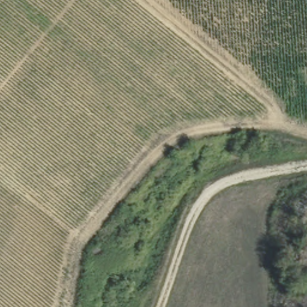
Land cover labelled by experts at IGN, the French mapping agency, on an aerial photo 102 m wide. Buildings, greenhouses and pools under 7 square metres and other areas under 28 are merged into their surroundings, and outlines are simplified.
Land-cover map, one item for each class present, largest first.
<instances>
[{"label":"vineyard","instance_id":"1","mask_svg":"<svg viewBox=\"0 0 307 307\"><path fill-rule=\"evenodd\" d=\"M241 128L257 130H281L307 139V0H0V307H72L79 275V260L82 258L85 243L96 233L115 204L136 185L151 164L162 155L168 158L173 151L185 148L189 143V137L227 131L235 134Z\"/></svg>","mask_w":307,"mask_h":307},{"label":"brushwood","instance_id":"2","mask_svg":"<svg viewBox=\"0 0 307 307\"><path fill-rule=\"evenodd\" d=\"M271 138L259 139L257 130L241 128L235 134L227 131L189 137V143L185 148L173 151L168 158L162 155L151 164L136 185L115 204L96 233L85 243L82 258L79 260V275L72 307H140V300L148 291V285L156 281L161 272L176 224L187 204L186 192L192 186L193 175L199 170L205 174L213 165L233 159L240 163H248L265 157L269 153ZM279 187L275 198L267 207L265 233L275 235L283 248L291 246L294 251H305L307 246V170L277 175Z\"/></svg>","mask_w":307,"mask_h":307},{"label":"agricultural land","instance_id":"3","mask_svg":"<svg viewBox=\"0 0 307 307\"><path fill-rule=\"evenodd\" d=\"M277 175L235 183L221 189L207 200L189 235L165 307H269L271 296L267 295V289L272 283L269 273L259 265L257 253V242L265 233L267 207L275 198L279 187Z\"/></svg>","mask_w":307,"mask_h":307},{"label":"herbaceous vegetation","instance_id":"4","mask_svg":"<svg viewBox=\"0 0 307 307\"><path fill-rule=\"evenodd\" d=\"M259 139L271 138L269 153L265 157L248 163H240L233 159L213 165L205 174L199 170L193 175L192 186L186 192L187 204L176 224L161 272L156 281L148 285V291L140 300V307H156L183 224L193 204L207 186L222 177L243 170L307 161V139L281 130H257ZM283 248L275 235L265 233L257 242V253L259 265L269 273L272 283L267 289V295L271 296L269 307H307V299H289L288 289L279 282L282 269L276 266L279 260L277 253Z\"/></svg>","mask_w":307,"mask_h":307},{"label":"pervious surface","instance_id":"5","mask_svg":"<svg viewBox=\"0 0 307 307\"><path fill-rule=\"evenodd\" d=\"M307 170V161L243 170L222 177L207 186L193 204L183 224L156 307H165L189 235L207 200L221 189L235 183L277 175Z\"/></svg>","mask_w":307,"mask_h":307},{"label":"deciduous trees","instance_id":"6","mask_svg":"<svg viewBox=\"0 0 307 307\"><path fill-rule=\"evenodd\" d=\"M279 260L276 266L282 269L279 282L288 289L289 299H307V246L305 251H294L291 246L283 248L277 253Z\"/></svg>","mask_w":307,"mask_h":307}]
</instances>
